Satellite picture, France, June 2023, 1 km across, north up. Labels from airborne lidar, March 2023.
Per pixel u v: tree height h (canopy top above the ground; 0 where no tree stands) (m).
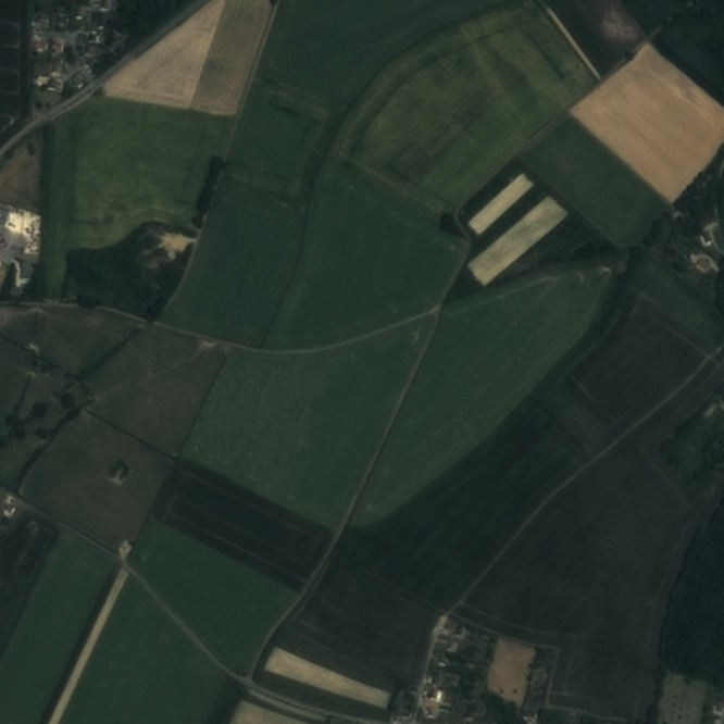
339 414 0
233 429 0
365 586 0
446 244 0
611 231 0
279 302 0
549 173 0
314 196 0
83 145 0
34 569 0
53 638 0
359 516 0
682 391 0
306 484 0
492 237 0
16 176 0
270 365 0
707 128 0
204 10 0
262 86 0
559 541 0
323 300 0
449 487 0
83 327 0
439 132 0
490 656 7
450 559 0
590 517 0
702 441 0
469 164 0
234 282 0
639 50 0
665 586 0
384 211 0
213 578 0
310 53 0
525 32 0
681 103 0
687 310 0
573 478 0
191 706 0
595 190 0
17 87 0
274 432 0
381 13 0
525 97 0
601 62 0
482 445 0
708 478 0
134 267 0
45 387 0
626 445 0
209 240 0
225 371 0
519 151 0
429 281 0
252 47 0
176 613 0
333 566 0
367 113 0
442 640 0
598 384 0
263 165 0
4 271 0
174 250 0
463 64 0
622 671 0
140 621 0
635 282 0
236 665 0
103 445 0
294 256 0
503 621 0
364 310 0
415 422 0
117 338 0
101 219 0
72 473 0
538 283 0
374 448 0
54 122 0
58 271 0
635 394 0
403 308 0
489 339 0
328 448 0
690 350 0
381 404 0
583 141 0
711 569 24
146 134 0
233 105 0
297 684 0
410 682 0
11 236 0
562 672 0
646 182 0
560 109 0
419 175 0
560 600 0
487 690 0
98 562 0
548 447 0
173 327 0
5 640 0
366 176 0
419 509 0
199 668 0
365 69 0
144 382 0
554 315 0
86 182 0
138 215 0
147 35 18
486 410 0
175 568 0
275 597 0
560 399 0
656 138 0
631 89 0
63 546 0
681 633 25
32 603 0
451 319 0
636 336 0
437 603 0
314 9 0
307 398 0
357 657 0
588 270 0
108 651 0
